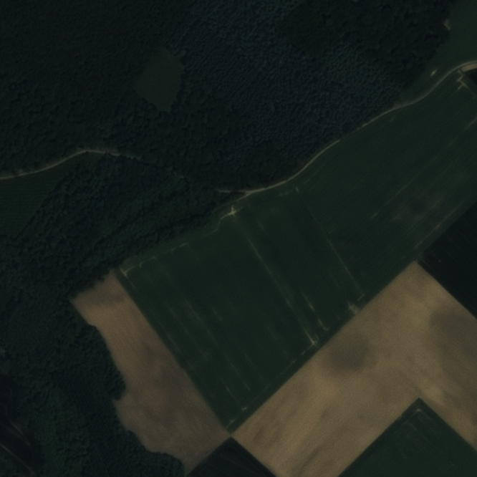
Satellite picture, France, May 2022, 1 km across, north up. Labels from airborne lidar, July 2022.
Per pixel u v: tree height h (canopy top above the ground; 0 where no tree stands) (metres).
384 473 0
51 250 26
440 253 0
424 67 24
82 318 0
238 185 26
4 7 26
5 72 24
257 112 25
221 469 0
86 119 23
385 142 0
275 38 29
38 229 8
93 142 26
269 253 0
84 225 31
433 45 30
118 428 20
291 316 0
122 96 23
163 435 0
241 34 33
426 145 0
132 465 17
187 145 22
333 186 0
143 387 0
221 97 22
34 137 24
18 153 24
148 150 23
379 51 28
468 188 0
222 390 0
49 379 22
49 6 23
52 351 20
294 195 0
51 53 23
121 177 29
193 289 0
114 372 23
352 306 0
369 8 33
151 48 20
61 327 29
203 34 25
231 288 0
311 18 12
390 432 0
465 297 0
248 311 0
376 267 0
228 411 0
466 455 0
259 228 0
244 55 31
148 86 0
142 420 0
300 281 0
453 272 0
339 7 31
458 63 0
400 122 0
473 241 0
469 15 0
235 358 0
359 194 0
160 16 23
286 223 0
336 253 0
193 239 0
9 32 22
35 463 0
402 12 29
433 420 0
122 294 0
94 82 24
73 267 20
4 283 30
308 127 23
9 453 0
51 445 24
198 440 0
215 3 33
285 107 26
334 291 0
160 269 0
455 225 0
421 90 0
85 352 22
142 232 19
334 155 0
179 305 0
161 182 27
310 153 20
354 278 0
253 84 25
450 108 0
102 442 26
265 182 25
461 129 0
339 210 0
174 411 0
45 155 19
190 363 0
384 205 0
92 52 21
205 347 0
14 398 0
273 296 0
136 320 0
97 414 26
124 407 0
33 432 21
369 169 0
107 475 20
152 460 18
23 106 23
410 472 0
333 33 14
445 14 27
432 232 0
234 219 0
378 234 0
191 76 26
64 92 21
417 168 0
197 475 0
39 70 24
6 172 22
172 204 24
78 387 25
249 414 0
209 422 0
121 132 24
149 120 24
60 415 25
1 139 25
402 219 0
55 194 9
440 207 0
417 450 0
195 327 0
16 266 28
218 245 0
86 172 12
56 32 25
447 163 0
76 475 6
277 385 0
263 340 0
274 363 0
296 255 0
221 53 22
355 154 0
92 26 23
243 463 0
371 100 24
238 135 30
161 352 0
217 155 25
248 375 0
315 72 31
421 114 0
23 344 30
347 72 22
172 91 0
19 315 34
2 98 26
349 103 28
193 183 25
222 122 25
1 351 0
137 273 0
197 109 21
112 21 19
